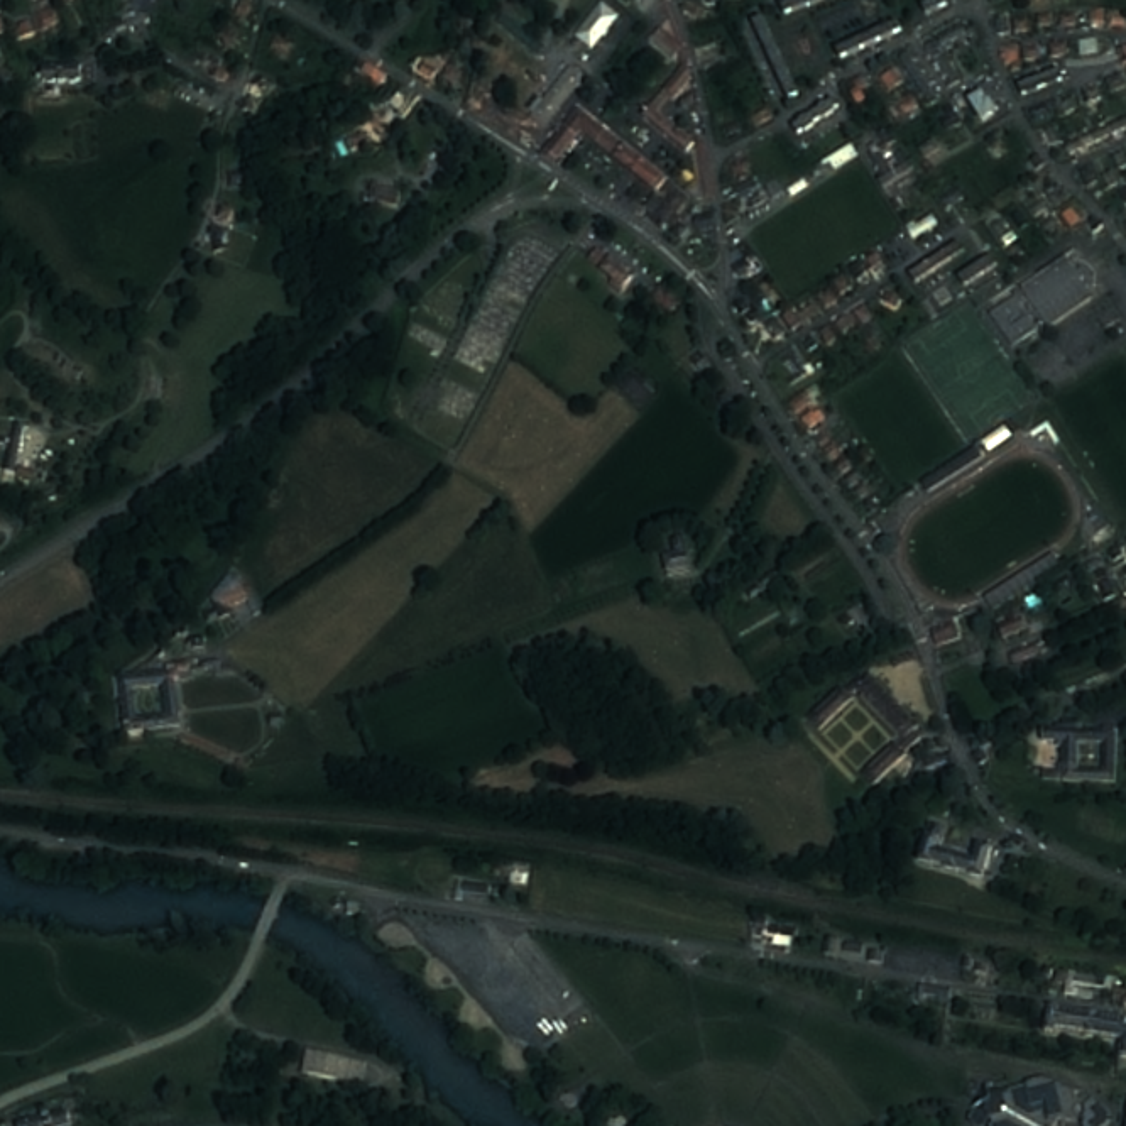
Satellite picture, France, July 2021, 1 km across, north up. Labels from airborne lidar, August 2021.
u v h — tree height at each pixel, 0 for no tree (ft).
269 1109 60
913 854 61
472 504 0
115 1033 0
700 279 0
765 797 0
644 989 0
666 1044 0
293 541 0
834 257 0
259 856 56
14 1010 0
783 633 38
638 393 0
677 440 0
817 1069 0
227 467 94
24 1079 0
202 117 0
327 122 47
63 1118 0
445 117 66
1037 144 0
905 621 0
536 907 0
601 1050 0
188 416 0
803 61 0
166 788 29
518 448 0
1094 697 58
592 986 0
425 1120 94
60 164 0
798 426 20
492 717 0
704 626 0
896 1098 0
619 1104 80
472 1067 0
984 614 56
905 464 0
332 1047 0
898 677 0
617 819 77
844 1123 0
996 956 53
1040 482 0
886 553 55
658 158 35
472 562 0
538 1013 0
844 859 65
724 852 75
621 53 18
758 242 0
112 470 60
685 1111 0
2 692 0
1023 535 0
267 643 0
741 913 0
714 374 57
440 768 0
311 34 21
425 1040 0
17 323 0
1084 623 47
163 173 0
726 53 26
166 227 0
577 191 0
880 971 0
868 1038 0
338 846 18
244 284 0
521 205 0
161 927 0
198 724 0
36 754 101
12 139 83
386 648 0
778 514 0
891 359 0
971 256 0
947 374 0
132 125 0
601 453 0
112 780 55
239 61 57
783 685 48
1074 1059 24
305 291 74
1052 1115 0
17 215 0
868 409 0
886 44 0
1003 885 44
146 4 0
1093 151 0
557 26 43
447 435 0
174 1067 0
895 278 37
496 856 42
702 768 0
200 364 0
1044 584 36
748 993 0
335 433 0
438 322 0
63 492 34
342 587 0
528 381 0
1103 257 0
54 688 81
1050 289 0
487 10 81
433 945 0
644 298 37
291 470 0
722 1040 0
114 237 0
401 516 37
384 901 0
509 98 79
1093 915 24
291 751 0
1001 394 0
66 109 0
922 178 22
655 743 59
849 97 19
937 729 39
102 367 0
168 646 41
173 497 82
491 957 0
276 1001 0
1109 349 0
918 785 64
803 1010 0
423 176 0
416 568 0
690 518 76
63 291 35
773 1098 0
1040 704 60
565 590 0
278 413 62
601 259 0
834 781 0
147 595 104
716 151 0
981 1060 0
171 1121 0
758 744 0
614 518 0
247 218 61
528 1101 67
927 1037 37
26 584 0
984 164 0
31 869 78
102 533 42
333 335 75
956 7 0
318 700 0
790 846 0
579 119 0
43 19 0
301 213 54
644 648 0
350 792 92
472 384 0
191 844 68
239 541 65
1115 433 0
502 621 0
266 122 70
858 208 0
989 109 0
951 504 0
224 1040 0
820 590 0
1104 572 22
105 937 0
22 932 0
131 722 0
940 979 0
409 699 0
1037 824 52
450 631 0
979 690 0
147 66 44
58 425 37
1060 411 0
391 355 63
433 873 0
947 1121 64
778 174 0
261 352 92
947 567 0
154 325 55
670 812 43
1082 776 0
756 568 62
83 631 104
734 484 0
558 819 73
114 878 75
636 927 0
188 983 0
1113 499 0
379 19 73
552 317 0
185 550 0
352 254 70
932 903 0
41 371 47
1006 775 0
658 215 0
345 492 0
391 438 61
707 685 0
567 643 85
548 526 0
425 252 63
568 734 51
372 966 0
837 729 0
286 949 30
